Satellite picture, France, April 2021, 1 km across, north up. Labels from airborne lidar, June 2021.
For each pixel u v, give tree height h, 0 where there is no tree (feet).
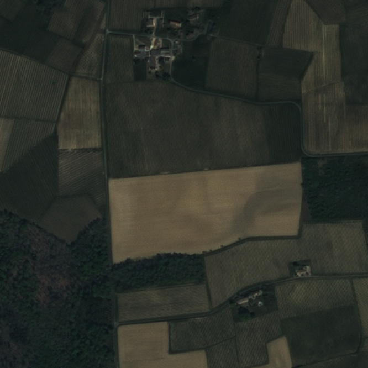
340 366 0
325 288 0
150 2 0
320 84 0
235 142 0
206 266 0
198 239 0
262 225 0
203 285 0
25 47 0
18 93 0
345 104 0
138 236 0
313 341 0
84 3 0
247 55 0
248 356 0
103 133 0
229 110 0
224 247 0
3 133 0
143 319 0
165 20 0
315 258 0
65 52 0
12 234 65
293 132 0
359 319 0
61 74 0
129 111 0
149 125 0
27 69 0
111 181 0
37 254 56
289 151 0
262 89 0
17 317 56
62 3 27
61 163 0
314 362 0
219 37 0
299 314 0
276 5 0
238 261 0
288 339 0
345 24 0
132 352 0
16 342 63
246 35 0
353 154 0
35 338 52
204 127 0
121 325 0
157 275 60
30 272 68
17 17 0
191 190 0
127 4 0
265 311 0
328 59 0
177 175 0
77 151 0
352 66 0
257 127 0
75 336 70
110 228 0
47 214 0
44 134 0
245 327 0
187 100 0
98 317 45
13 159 0
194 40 0
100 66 0
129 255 0
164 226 0
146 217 0
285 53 0
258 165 0
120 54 0
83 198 0
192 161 0
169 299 0
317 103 0
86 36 0
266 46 0
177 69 0
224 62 0
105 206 0
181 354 0
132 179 0
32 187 0
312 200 27
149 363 0
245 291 0
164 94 0
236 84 0
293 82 0
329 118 0
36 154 0
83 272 93
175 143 0
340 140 0
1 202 0
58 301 56
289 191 0
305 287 0
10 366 77
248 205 0
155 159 0
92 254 53
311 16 0
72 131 0
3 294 80
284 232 0
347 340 0
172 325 0
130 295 0
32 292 75
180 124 0
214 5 0
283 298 0
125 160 0
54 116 0
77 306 72
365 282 0
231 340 0
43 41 0
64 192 0
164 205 0
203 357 0
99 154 0
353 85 0
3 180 0
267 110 0
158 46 0
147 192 0
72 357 86
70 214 0
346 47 0
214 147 0
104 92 0
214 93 0
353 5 0
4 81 0
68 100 0
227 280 0
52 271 55
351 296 0
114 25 0
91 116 0
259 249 0
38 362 69
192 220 0
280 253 0
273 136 0
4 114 0
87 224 0
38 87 0
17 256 74
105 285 71
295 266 35
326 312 0
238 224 0
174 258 65
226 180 0
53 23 0
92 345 70
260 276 0
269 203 0
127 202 0
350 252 0
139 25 0
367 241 0
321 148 0
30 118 0
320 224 0
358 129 0
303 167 18
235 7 0
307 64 0
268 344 0
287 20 0
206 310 0
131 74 0
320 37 0
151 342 0
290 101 0
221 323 0
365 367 0
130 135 0
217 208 0
